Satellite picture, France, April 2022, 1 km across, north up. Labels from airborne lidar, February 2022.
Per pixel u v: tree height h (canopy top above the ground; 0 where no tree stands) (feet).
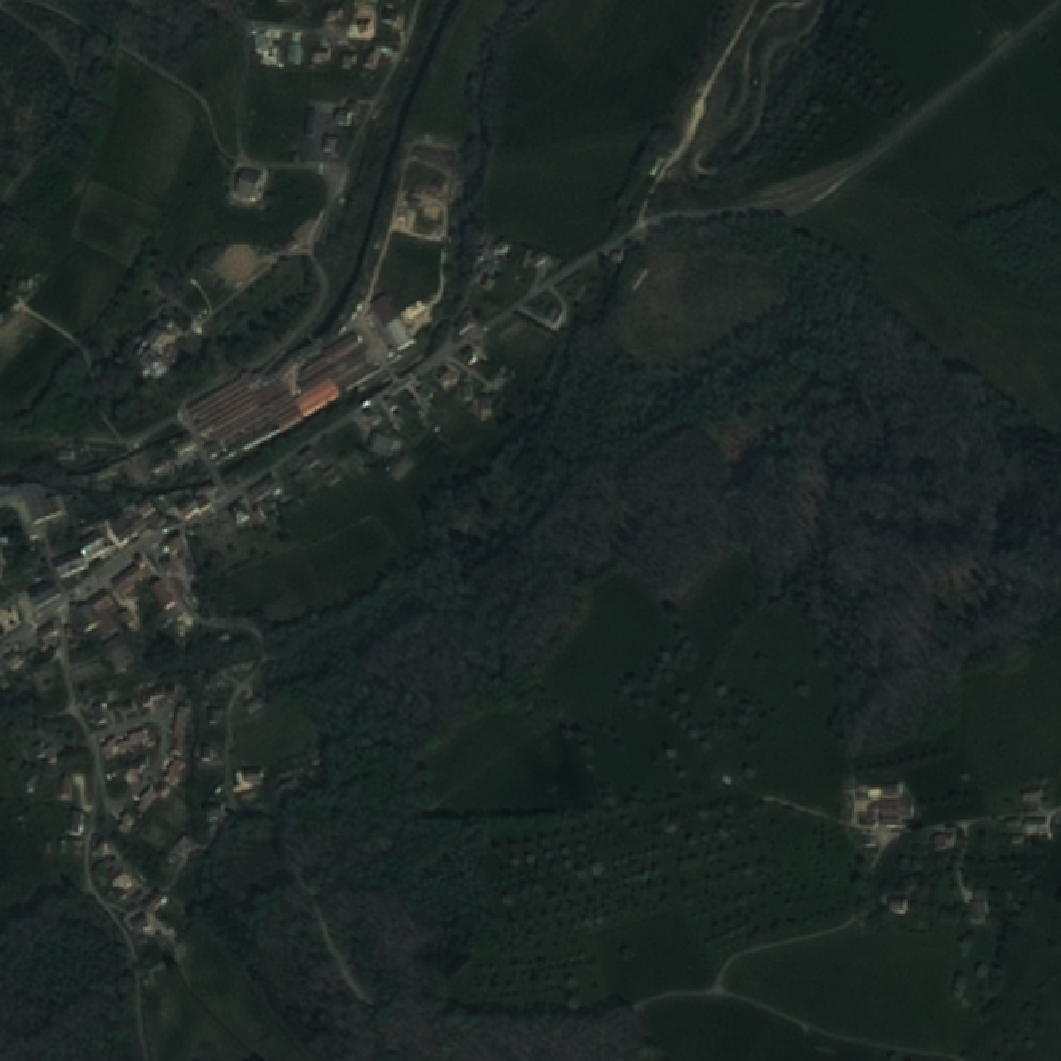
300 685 56
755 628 0
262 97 0
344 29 0
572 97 0
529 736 0
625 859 0
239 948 64
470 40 0
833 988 0
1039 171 0
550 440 69
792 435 32
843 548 118
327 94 0
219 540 0
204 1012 0
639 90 0
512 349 0
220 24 75
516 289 0
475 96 52
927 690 107
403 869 82
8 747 0
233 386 0
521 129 0
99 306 0
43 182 21
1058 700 0
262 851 0
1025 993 0
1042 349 0
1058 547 88
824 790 0
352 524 0
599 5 0
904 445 88
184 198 0
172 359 0
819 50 20
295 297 0
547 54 0
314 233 0
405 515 0
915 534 68
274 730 0
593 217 0
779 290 0
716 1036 0
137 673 0
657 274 0
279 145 0
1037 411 0
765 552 114
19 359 0
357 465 0
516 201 0
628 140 0
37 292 0
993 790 0
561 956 0
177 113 0
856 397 72
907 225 0
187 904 0
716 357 22
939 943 0
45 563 35
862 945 0
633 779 0
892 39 0
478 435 0
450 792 0
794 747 0
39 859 0
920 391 98
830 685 0
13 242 48
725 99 0
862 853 0
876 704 96
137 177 0
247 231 0
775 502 124
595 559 124
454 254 50
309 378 0
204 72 0
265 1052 0
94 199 0
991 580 72
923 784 0
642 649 0
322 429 0
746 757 0
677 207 0
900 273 0
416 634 117
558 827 49
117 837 31
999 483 102
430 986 92
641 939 0
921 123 0
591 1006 0
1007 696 0
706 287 0
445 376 0
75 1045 106
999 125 0
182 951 0
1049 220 45
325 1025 58
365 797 102
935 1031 0
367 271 0
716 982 0
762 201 0
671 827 22
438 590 93
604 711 0
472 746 0
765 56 0
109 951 61
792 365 69
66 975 69
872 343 89
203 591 44
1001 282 0
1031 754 0
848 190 0
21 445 0
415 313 0
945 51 0
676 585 109
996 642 91
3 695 20
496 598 86
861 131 0
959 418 107
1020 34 0
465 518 61
